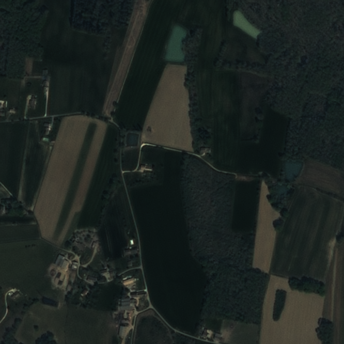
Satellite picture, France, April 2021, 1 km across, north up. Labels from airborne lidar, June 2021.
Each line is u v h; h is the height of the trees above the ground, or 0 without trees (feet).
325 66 76
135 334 0
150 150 0
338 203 0
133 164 0
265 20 63
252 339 0
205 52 0
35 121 0
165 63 0
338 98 68
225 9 0
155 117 0
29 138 0
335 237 0
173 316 0
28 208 0
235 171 0
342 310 0
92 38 0
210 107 0
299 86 85
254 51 0
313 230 0
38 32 56
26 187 0
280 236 0
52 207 0
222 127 0
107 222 0
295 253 0
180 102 0
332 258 0
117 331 0
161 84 0
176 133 0
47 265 0
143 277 0
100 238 0
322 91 80
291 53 61
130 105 0
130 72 0
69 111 0
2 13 49
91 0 67
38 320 0
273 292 0
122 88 0
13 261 0
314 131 73
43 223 0
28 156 0
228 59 0
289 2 72
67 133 0
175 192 0
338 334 0
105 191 0
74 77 0
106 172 0
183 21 0
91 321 0
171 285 0
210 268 49
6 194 0
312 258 0
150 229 0
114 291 0
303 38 58
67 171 0
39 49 62
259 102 0
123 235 0
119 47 0
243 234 0
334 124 76
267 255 0
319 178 0
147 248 0
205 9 0
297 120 76
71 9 0
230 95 0
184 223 0
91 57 0
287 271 0
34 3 80
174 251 0
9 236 0
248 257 34
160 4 0
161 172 0
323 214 0
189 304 0
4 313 0
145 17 0
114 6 82
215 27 0
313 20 61
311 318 0
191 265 0
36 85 0
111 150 0
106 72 0
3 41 54
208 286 35
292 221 0
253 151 0
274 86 45
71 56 0
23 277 0
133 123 0
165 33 0
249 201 0
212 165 0
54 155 0
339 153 48
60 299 0
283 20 51
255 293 56
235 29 0
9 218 0
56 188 0
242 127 0
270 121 0
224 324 0
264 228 0
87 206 0
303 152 60
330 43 66
